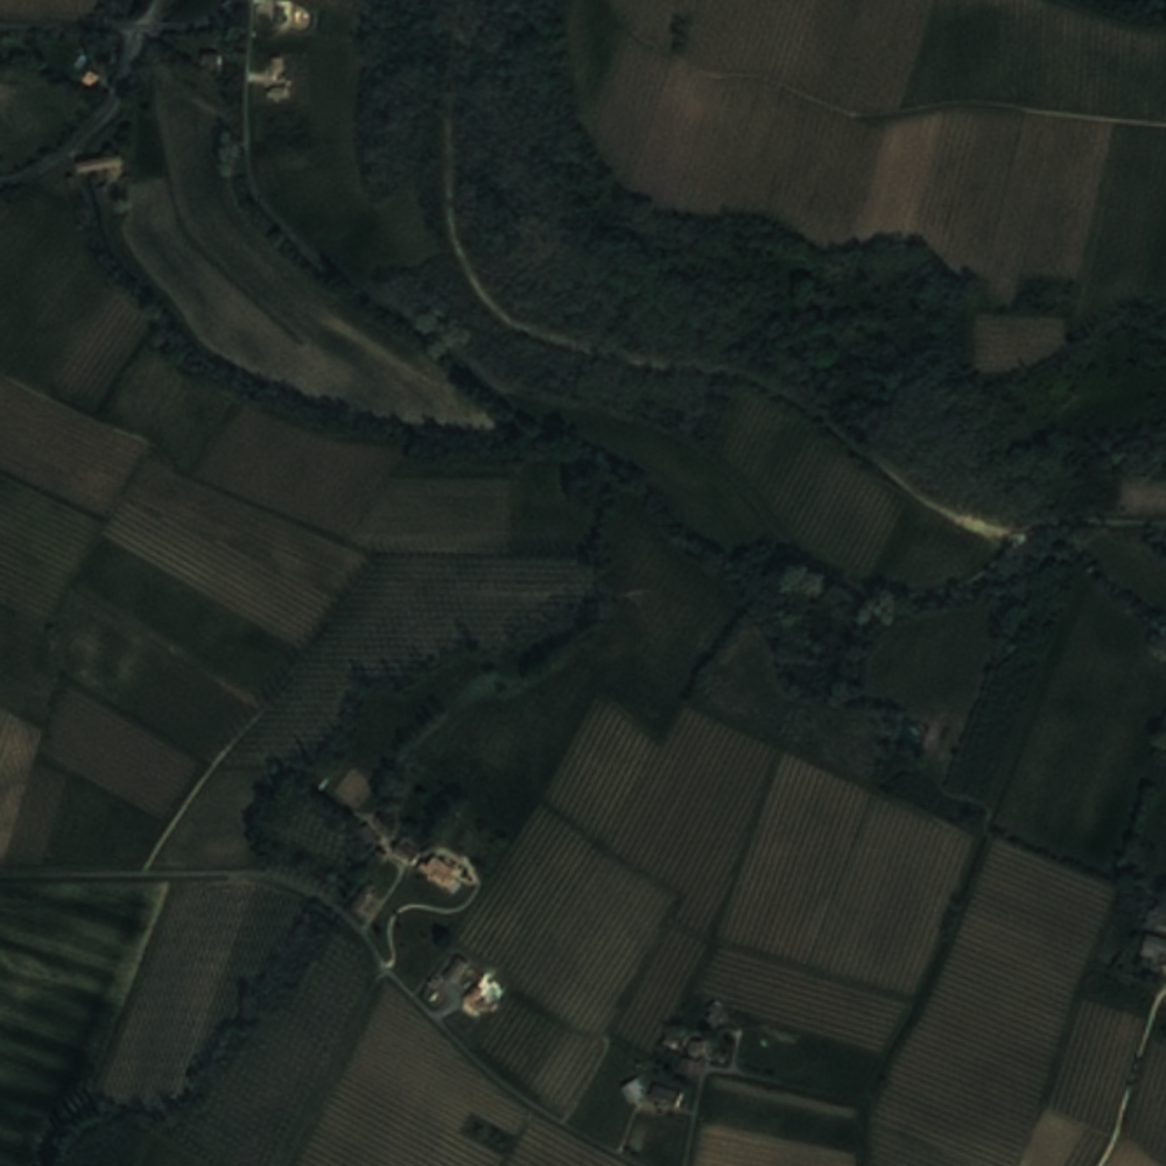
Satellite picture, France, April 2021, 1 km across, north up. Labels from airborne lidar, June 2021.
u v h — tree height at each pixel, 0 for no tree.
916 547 0
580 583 27
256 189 0
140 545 0
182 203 0
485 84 17
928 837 0
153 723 0
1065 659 0
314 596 0
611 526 18
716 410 19
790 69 0
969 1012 0
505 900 0
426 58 12
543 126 14
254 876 0
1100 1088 0
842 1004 0
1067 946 0
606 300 13
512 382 16
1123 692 0
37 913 0
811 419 13
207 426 0
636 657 0
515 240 13
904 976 0
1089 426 0
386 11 20
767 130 0
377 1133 0
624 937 0
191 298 0
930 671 0
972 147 0
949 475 17
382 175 14
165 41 8
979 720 6
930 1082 0
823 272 12
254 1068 26
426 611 22
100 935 0
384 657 27
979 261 0
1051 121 0
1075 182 0
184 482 0
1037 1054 0
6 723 0
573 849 0
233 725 0
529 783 0
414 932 0
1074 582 8
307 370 0
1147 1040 0
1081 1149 0
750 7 0
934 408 23
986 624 0
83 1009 0
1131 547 0
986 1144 0
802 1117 0
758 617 14
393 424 10
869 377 15
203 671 0
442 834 22
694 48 0
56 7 0
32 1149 0
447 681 0
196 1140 22
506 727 0
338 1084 0
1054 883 0
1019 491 17
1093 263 0
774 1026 0
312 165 0
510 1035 0
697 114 0
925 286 14
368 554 0
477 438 15
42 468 0
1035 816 0
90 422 0
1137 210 0
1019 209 0
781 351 25
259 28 0
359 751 0
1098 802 0
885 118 0
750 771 0
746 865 0
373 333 0
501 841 10
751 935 0
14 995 0
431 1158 0
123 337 0
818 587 29
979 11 0
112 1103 10
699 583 0
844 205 0
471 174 10
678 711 0
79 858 0
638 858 0
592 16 0
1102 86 0
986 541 0
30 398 0
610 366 19
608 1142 0
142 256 0
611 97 0
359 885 13
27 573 0
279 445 0
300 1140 0
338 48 0
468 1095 0
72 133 14
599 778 0
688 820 0
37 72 14
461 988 0
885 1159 0
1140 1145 0
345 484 0
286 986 18
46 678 0
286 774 8
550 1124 0
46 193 0
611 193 18
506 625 29
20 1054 0
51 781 0
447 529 0
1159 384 8
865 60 0
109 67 18
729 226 14
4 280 0
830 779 0
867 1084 0
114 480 0
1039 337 0
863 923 0
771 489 0
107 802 0
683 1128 0
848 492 0
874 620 20
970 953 0
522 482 0
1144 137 0
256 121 0
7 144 0
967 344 14
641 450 0
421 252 0
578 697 0
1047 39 0
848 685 23
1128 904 6
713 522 0
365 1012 0
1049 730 0
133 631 0
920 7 0
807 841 0
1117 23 0
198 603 0
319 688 27
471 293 8
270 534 0
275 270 0
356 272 0
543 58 21
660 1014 0
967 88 0
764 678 0
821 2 0
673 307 26
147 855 0
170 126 0
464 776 0
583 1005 0
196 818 0
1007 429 8
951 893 0
